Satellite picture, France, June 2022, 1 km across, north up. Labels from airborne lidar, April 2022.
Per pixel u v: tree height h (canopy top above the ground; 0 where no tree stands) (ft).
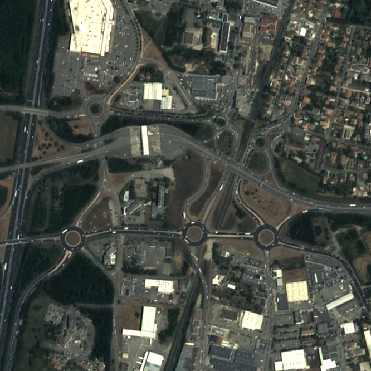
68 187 23
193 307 23
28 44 19
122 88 0
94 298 79
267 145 0
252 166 0
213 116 0
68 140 28
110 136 0
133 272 47
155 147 0
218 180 0
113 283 0
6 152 0
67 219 25
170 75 0
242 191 0
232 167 0
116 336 0
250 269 0
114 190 0
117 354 0
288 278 23
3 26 89
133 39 0
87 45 0
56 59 0
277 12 0
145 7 0
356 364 0
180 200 0
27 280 37
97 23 0
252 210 0
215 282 0
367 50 38
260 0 0
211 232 0
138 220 0
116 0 0
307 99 0
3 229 0
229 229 0
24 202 0
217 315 0
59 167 0
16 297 40
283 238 0
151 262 0
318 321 0
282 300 0
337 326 0
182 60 0
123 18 0
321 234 0
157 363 0
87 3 0
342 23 26
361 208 0
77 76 0
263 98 40
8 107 0
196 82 0
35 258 34
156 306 0
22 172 0
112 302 20
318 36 0
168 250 0
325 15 0
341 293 0
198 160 0
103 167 0
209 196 0
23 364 0
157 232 0
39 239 0
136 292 0
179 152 0
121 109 20
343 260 0
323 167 0
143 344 0
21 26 91
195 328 0
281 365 0
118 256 0
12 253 0
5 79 29
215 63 37
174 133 0
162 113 23
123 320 0
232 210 0
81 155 0
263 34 0
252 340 0
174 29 31
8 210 0
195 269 0
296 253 0
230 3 34
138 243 0
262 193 0
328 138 0
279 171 22
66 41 0
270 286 0
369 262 0
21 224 0
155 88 0
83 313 59
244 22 0
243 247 0
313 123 35
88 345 0
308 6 0
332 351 0
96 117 0
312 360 0
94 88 0
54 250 25
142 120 23
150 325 0
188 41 0
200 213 0
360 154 37
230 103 0
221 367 0
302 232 69
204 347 0
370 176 33
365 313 36
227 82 0
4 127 0
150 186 22
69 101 36
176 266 0
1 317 0
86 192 37
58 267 0
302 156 36
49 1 0
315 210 0
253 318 0
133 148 0
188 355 0
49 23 0
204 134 0
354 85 0
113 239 0
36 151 0
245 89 0
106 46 0
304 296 0
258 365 0
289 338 20
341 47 0
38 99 0
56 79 0
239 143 0
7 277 0
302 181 0
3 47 75
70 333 0
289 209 0
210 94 0
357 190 0
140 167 21
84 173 68
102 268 0
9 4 58
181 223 0
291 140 18
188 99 0
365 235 0
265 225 0
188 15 0
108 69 0
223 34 0
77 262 25
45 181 67
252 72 0
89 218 0
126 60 0
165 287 0
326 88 19
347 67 0
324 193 25
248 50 0
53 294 36
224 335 0
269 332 0
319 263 0
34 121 0
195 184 0
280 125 0
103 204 0
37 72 0
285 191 0
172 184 0
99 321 29
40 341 32
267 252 0
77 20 0
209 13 0
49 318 0
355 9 45
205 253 0
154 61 0
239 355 0
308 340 0
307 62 0
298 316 0
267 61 22
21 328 70
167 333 29
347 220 23
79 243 0
